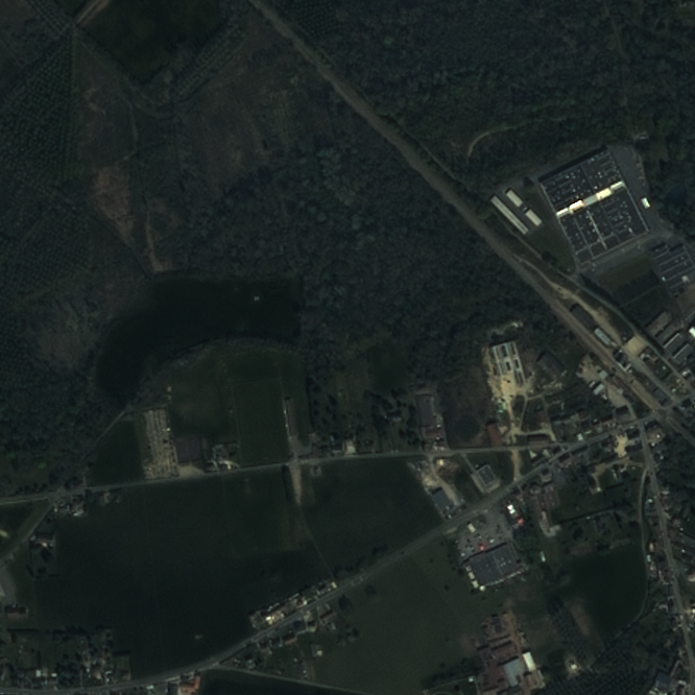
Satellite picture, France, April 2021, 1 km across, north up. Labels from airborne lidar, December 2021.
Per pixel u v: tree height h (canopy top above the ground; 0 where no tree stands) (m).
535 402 0
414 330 15
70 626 0
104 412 13
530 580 0
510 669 0
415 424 11
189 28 0
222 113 0
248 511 0
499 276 19
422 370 16
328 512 0
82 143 16
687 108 25
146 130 0
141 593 0
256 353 0
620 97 16
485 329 14
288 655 0
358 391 0
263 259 26
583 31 18
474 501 0
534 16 32
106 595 0
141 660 0
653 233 0
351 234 7
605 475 0
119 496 14
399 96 37
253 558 0
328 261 17
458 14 11
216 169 0
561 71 13
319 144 0
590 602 0
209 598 0
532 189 16
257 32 0
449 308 9
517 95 15
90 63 0
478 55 7
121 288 0
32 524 0
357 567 6
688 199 15
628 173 0
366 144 20
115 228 0
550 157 12
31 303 9
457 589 0
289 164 8
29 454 26
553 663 0
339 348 24
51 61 18
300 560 0
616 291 0
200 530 0
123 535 0
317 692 0
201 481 0
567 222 0
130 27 0
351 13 23
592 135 13
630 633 8
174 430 0
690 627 0
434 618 0
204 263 23
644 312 8
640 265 0
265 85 0
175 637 0
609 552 10
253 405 0
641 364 0
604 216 0
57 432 30
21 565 0
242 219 33
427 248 38
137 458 0
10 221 12
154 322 0
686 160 22
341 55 27
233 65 0
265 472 0
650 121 0
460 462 0
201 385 0
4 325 28
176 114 16
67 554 0
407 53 14
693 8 0
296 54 9
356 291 24
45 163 26
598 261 0
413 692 0
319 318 31
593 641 0
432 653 0
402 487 0
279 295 0
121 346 0
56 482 21
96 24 0
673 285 0
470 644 0
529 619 0
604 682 21
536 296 18
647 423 0
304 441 0
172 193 0
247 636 0
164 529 0
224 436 0
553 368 0
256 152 0
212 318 0
